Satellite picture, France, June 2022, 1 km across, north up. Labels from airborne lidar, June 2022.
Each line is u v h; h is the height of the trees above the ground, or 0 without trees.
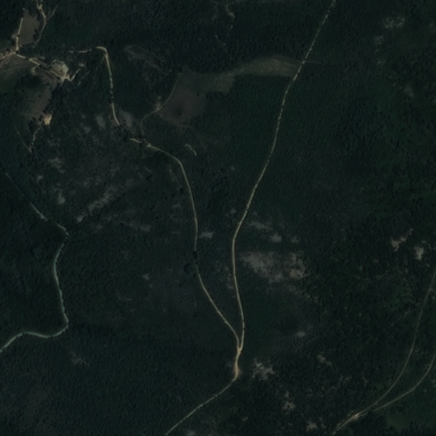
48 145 9
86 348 7
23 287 9
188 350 5
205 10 8
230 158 8
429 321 7
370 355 8
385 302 16
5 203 24
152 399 6
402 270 10
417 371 7
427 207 12
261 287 6
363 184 7
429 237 14
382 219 10
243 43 10
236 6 10
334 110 7
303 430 14
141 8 8
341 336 15
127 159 6
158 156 10
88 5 7
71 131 8
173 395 7
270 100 6
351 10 9
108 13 6
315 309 12
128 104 7
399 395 10
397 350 10
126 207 8
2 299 8
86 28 7
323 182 7
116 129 14
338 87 5
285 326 8
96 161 0
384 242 14
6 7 10
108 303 10
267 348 0
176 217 7
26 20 0
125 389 8
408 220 13
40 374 6
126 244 7
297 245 7
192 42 10
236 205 7
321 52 8
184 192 23
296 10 6
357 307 18
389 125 9
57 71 0
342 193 7
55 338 6
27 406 7
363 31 8
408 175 14
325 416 15
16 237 14
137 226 0
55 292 11
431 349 8
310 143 6
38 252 30
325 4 10
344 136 10
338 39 8
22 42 0
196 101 0
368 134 7
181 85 0
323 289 15
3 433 9
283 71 0
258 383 11
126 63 6
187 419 8
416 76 8
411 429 10
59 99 12
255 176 6
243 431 13
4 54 0
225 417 0
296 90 7
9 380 8
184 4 6
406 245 16
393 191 17
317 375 15
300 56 9
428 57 10
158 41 8
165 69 6
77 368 10
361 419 9
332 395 9
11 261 10
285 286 0
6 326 8
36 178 6
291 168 6
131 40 8
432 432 15
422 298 15
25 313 11
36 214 17
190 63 9
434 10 6
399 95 11
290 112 8
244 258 0
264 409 14
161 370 7
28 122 0
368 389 18
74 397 11
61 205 6
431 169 15
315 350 13
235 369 0
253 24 11
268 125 10
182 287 8
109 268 6
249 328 7
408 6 6
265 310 6
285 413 11
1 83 0
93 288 9
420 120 8
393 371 7
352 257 16
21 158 25
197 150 9
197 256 21
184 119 0
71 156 8
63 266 7
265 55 7
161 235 6
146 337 8
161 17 10
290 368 14
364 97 9
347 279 15
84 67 11
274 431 6
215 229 7
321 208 8
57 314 8
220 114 7
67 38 7
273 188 9
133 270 0
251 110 6
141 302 0
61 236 20
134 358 6
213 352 7
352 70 9
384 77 6
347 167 7
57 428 6
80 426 8
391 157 9
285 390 8
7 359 8
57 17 9
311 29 10
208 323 0
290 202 9
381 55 7
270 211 7
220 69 7
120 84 7
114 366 7
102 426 8
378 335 15
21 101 13
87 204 6
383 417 16
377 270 17
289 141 7
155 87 10
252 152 7
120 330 8
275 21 9
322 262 12
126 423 8
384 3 10
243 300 6
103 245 6
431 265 12
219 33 10
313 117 8
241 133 8
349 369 15
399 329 12
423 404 10
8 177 15
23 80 19
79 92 7
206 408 8
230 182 11
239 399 14
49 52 16
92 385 7
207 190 7
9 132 25
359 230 11
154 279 0
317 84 7
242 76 9
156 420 7
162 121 0
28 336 8
